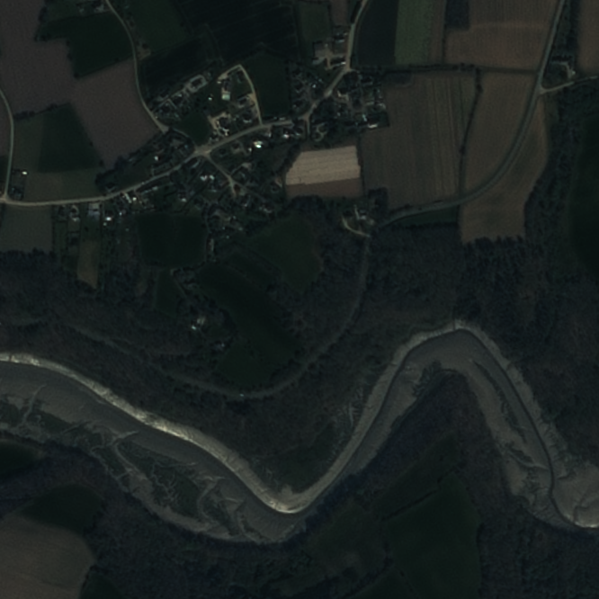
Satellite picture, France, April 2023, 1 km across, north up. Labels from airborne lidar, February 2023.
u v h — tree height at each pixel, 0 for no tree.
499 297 22
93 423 0
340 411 0
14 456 0
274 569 9
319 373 15
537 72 0
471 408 14
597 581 14
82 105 0
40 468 13
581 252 0
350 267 29
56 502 0
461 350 0
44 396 0
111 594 0
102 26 0
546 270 7
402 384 0
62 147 0
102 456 0
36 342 22
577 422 19
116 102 0
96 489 14
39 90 0
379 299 19
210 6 0
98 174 0
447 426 15
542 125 0
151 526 18
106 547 6
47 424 0
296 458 0
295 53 0
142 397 18
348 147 0
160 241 0
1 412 0
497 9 0
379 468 18
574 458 0
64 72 0
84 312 14
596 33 0
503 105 0
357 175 0
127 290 15
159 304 0
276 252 0
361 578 0
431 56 0
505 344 15
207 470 0
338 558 0
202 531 0
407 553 0
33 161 0
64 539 0
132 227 11
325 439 0
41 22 11
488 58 0
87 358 18
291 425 18
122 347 16
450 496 0
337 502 19
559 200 17
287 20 0
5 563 0
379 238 19
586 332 11
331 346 9
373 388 0
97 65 0
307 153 0
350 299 10
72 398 0
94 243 0
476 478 15
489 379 0
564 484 0
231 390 9
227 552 18
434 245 14
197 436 0
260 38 0
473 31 0
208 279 0
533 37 0
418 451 18
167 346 12
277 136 8
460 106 0
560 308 20
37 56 0
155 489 0
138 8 0
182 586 24
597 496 0
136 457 0
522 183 0
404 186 0
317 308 11
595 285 11
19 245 0
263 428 13
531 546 18
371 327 15
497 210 0
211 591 23
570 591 8
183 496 0
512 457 0
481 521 10
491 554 15
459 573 0
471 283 19
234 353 0
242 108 0
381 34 0
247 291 0
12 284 23
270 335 0
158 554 20
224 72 0
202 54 0
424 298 14
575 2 13
